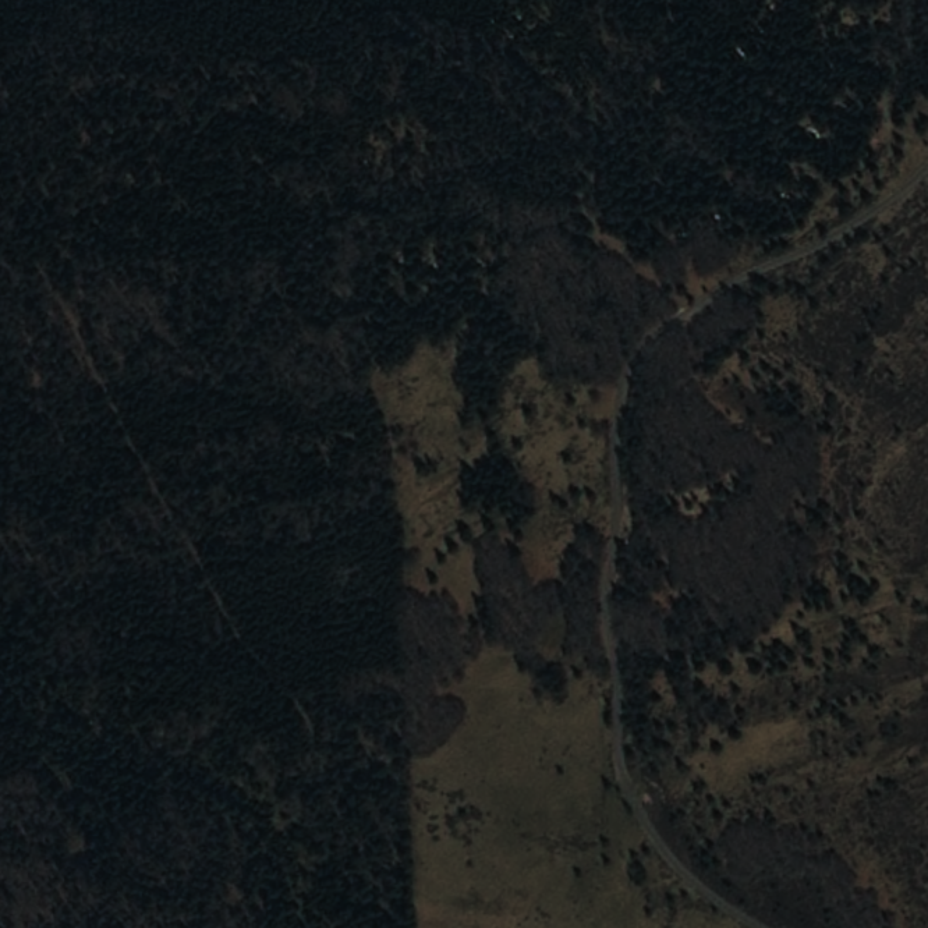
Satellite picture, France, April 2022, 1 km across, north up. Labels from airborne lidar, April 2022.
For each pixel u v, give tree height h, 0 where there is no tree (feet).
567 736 0
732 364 0
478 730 0
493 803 0
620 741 0
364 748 96
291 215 41
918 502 0
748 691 0
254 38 67
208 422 52
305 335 55
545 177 45
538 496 26
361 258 52
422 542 0
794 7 33
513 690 0
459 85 50
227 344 57
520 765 0
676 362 48
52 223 88
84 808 72
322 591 61
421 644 55
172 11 64
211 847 70
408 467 0
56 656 87
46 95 46
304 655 63
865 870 0
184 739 18
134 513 58
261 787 31
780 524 35
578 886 0
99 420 52
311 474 36
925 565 0
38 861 67
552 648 0
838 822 0
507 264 68
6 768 38
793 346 0
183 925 73
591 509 0
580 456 0
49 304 75
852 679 0
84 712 37
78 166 45
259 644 68
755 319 28
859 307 0
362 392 49
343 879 52
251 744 56
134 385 36
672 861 0
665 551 34
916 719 0
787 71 59
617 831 0
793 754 0
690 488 36
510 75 52
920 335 0
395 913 42
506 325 53
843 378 0
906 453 0
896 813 0
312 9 56
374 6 22
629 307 44
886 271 0
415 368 0
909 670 0
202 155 64
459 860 0
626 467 46
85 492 59
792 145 46
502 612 55
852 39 26
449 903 0
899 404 0
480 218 72
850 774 0
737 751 0
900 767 0
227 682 75
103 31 61
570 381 42
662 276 52
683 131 55
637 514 44
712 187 65
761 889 0
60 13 54
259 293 71
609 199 48
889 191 0
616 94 53
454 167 47
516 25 30
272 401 43
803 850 28
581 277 46
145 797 56
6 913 55
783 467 38
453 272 50
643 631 46
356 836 72
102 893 73
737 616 37
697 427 47
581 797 0
